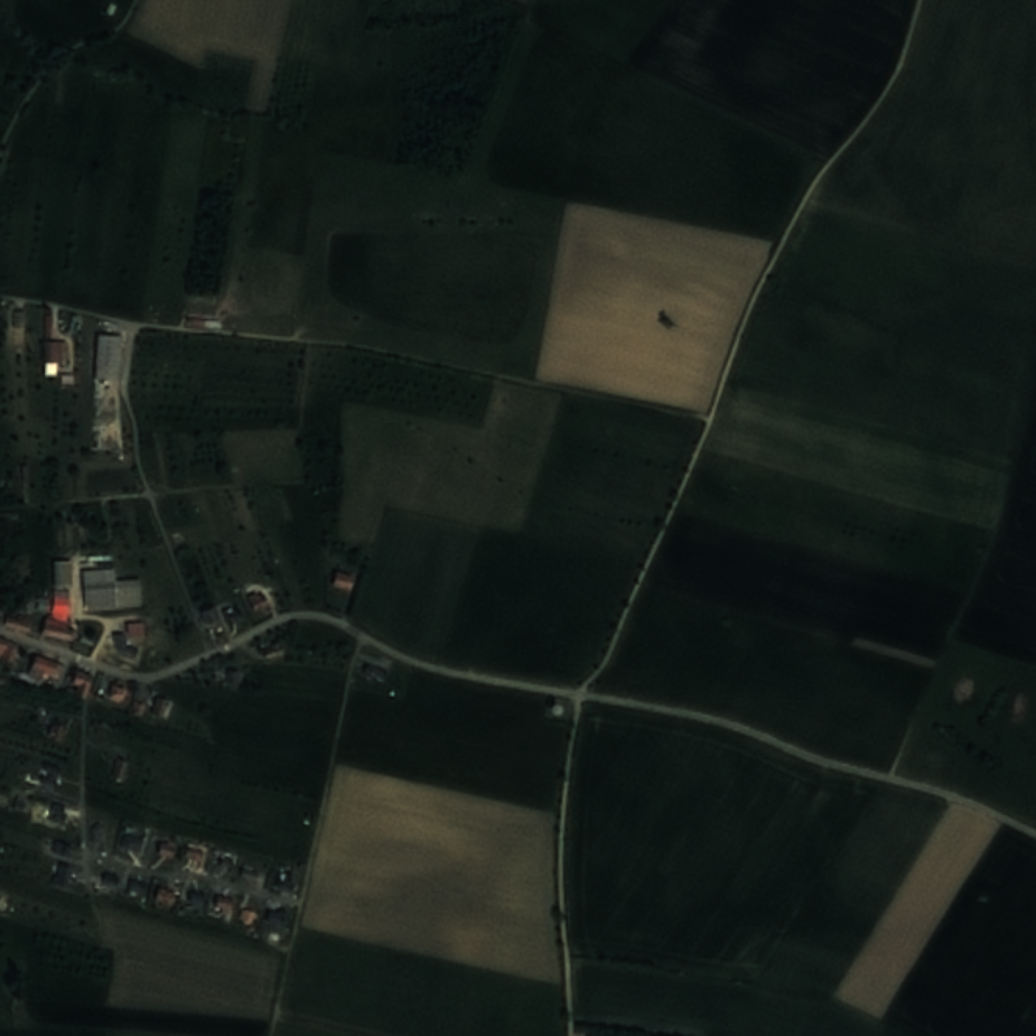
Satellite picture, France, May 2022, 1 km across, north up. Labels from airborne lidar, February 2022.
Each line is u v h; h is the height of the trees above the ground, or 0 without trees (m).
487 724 0
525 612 0
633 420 0
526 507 0
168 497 0
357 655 0
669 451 0
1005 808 0
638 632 0
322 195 0
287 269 0
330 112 0
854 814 0
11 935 0
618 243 0
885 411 0
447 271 0
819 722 0
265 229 0
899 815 0
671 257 0
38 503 0
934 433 0
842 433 0
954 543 0
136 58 0
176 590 0
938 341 0
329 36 0
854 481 0
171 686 0
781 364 0
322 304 0
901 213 0
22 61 0
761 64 0
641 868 0
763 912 0
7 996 0
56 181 0
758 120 0
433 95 14
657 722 0
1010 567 0
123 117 0
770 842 0
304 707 0
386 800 0
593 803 0
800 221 0
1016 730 0
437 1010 0
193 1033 0
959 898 0
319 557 0
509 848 0
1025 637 0
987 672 0
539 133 0
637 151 0
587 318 0
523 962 0
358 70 0
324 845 0
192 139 0
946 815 0
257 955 0
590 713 0
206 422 0
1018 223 0
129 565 0
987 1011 0
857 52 0
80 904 0
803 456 0
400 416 0
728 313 0
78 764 0
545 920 0
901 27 0
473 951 0
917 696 0
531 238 0
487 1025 0
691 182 0
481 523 0
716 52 0
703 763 0
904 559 0
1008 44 0
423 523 0
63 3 0
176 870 0
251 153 0
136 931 0
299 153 0
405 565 0
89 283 0
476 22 8
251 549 0
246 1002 0
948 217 0
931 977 0
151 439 0
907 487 0
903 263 0
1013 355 0
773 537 0
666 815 0
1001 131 0
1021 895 0
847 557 0
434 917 0
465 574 0
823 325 0
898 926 0
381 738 0
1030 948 0
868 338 0
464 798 0
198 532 0
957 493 0
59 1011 0
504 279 0
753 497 0
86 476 0
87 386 0
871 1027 0
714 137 0
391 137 0
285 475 0
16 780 0
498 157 0
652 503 0
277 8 0
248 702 0
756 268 0
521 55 0
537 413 0
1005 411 0
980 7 0
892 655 0
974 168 0
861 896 0
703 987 0
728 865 0
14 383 0
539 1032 0
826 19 0
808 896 0
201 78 0
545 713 0
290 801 0
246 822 0
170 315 0
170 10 0
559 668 0
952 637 0
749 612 0
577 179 0
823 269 0
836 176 0
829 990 0
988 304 0
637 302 0
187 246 0
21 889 0
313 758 0
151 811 0
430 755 0
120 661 0
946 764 0
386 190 0
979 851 0
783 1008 0
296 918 0
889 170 0
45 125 0
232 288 0
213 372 0
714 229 0
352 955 0
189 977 0
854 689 0
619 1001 0
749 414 0
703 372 0
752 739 0
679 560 0
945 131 0
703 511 0
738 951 0
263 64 0
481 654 0
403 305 0
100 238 0
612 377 0
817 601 0
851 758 0
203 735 0
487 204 0
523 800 0
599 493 0
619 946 0
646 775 0
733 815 0
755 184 0
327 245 0
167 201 0
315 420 0
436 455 0
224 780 0
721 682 0
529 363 0
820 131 0
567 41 0
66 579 0
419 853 0
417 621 0
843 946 0
